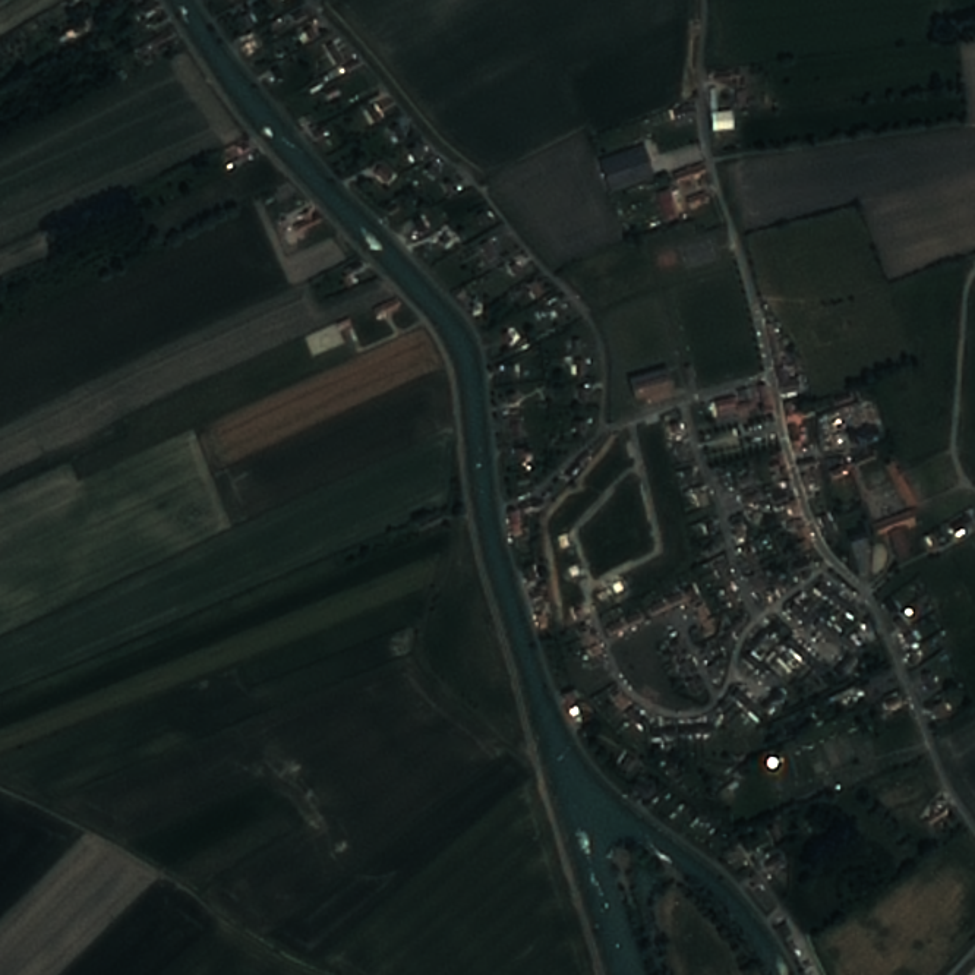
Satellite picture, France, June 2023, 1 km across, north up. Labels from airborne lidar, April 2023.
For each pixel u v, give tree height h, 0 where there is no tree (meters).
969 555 0
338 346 0
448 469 0
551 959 0
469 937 0
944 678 0
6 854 0
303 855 0
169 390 0
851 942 0
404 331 0
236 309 0
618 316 0
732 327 0
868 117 0
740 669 0
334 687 0
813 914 0
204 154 7
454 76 0
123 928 0
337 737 0
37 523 0
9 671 0
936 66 0
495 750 0
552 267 0
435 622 0
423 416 0
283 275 0
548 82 0
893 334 0
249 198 0
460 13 0
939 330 0
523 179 0
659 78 0
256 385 0
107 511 0
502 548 0
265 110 0
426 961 0
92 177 0
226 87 0
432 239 0
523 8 0
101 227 22
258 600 0
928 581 0
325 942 0
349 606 0
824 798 7
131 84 0
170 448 0
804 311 0
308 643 0
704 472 0
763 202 0
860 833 29
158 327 0
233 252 0
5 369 0
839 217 0
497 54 0
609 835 0
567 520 0
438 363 0
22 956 0
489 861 0
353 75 0
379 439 0
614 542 0
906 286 0
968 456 0
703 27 0
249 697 0
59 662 0
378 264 0
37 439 0
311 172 0
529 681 0
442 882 0
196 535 0
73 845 0
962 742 0
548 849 0
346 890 0
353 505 0
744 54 0
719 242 0
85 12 6
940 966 0
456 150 0
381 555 0
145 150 0
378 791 0
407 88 0
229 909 0
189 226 10
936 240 0
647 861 14
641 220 0
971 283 0
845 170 0
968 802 0
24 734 0
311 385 0
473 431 0
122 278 0
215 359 0
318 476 0
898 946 0
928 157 0
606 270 0
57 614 0
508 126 0
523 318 0
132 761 0
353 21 0
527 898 0
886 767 0
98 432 0
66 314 0
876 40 0
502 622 0
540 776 0
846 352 0
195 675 0
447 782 0
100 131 0
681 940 0
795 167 0
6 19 0
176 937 0
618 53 0
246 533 0
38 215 0
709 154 0
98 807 0
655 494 0
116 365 0
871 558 0
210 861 0
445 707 0
